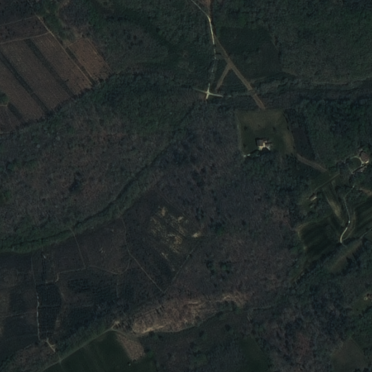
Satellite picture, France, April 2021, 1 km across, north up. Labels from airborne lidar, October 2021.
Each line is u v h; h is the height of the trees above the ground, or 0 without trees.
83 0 24
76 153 11
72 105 22
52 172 8
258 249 7
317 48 18
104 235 0
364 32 26
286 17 22
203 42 10
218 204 24
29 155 12
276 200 17
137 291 8
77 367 0
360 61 19
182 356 9
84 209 12
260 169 26
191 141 21
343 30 18
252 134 0
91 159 9
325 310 25
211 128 22
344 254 23
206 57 7
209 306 20
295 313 12
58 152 8
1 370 7
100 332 27
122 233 0
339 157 16
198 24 13
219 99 8
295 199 24
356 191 20
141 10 18
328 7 21
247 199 15
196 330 12
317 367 16
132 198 23
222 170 10
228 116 21
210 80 16
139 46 12
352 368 0
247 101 11
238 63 9
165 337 13
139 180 25
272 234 13
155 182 17
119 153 8
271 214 9
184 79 13
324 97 12
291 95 13
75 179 16
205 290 16
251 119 0
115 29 19
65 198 23
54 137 14
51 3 23
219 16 24
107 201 15
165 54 24
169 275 6
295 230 24
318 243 0
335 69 19
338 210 0
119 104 22
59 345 17
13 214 14
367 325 17
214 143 19
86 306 12
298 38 15
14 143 19
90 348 0
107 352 0
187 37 21
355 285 14
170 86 25
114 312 16
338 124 26
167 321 16
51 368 0
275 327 19
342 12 20
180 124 22
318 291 21
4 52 0
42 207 19
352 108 19
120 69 18
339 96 16
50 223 19
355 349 0
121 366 0
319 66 16
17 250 25
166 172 24
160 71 12
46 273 9
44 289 11
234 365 20
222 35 7
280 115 0
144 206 6
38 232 28
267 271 7
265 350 22
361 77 18
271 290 8
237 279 12
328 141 24
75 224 19
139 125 25
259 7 20
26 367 8
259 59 15
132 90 26
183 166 29
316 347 22
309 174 7
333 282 24
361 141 17
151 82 26
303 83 11
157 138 14
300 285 18
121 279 7
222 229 23
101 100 23
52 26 22
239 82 7
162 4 14
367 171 11
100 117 24
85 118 22
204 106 22
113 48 14
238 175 21
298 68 14
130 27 17
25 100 0
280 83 15
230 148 21
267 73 10
